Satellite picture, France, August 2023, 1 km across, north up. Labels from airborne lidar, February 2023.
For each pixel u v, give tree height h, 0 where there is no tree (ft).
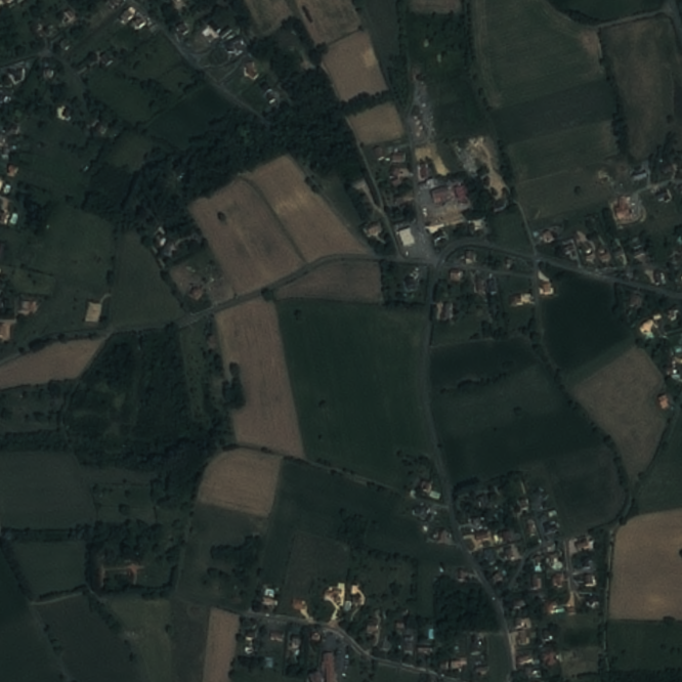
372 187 38
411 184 30
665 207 0
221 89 0
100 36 0
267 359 0
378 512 0
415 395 0
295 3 0
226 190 0
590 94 0
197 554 0
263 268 0
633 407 0
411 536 0
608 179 0
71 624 0
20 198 41
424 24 0
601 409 0
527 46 0
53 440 23
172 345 19
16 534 35
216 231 0
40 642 0
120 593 30
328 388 0
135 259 0
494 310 20
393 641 25
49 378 0
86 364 0
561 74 0
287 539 0
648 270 0
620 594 0
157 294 0
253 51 48
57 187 0
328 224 0
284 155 27
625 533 0
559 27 0
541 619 19
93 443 28
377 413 0
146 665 0
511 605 39
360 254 0
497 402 0
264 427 0
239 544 0
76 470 0
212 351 24
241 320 0
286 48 0
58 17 19
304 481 0
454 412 0
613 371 0
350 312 0
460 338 0
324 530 0
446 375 0
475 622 53
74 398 25
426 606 0
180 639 0
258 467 0
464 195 0
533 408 0
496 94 0
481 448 0
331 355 0
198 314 0
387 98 34
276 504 0
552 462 0
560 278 29
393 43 0
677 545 0
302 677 41
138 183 57
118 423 0
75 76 0
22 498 0
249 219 0
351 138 54
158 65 0
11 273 0
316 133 29
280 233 0
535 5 0
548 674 42
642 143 0
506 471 0
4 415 41
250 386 0
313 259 0
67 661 0
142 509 0
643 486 0
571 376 0
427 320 0
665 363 0
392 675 0
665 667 0
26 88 22
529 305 0
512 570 30
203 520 0
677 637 0
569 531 0
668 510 0
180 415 28
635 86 0
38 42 20
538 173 0
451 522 0
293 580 0
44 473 0
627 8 0
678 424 0
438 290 38
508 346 0
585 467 0
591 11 0
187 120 0
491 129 0
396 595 27
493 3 0
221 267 0
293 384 0
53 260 0
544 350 28
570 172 0
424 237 0
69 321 0
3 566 0
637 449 0
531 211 0
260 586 20
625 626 0
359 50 0
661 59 0
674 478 0
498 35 0
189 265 0
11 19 44
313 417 0
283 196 0
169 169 67
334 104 37
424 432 0
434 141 0
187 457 55
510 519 42
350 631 34
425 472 0
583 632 0
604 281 0
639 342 30
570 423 0
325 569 0
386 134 0
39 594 0
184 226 40
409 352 0
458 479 0
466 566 0
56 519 0
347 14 0
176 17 37
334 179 0
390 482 0
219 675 0
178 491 46
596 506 0
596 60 0
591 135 0
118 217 36
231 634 0
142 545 42
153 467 50
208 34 0
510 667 0
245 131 53
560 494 0
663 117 0
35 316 0
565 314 0
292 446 0
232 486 0
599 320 0
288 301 0
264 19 0
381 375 0
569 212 0
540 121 0
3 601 0
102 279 0
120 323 0
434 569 0
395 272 35
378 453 0
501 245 0
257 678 0
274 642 0
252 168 47
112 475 0
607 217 36
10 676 0
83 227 0
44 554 0
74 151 32
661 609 0
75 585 0
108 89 0
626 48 0
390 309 34
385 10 0
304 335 0
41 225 82
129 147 0
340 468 0
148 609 0
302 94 45
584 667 0
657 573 0
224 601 0
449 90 0
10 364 0
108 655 0
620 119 32
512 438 0
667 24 0
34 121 0
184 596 0
